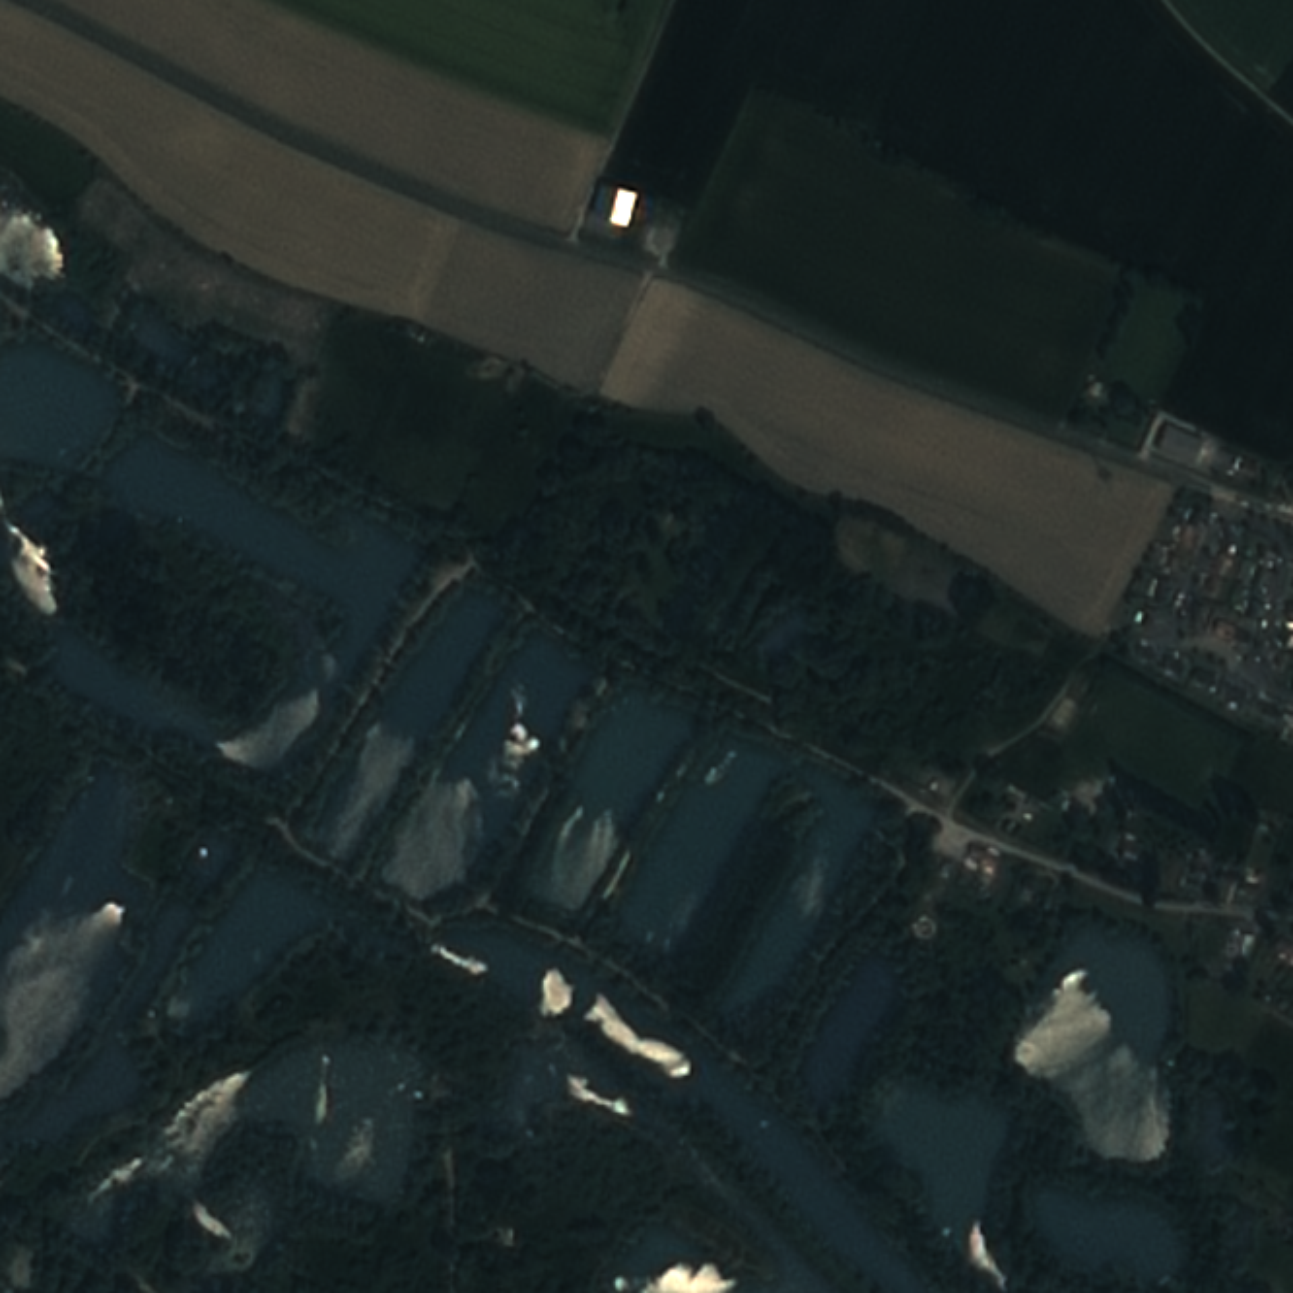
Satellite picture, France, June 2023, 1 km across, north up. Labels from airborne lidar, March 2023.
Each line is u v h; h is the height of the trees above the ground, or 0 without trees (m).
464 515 8
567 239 0
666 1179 7
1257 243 0
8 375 0
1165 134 0
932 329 0
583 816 0
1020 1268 18
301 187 0
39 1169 5
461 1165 6
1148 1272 0
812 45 0
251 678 28
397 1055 0
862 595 19
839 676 21
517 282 0
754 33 0
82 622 6
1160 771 0
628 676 5
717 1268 0
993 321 0
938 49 0
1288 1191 0
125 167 0
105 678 0
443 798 0
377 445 0
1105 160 0
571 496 9
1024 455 0
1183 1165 10
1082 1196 0
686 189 0
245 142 0
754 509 33
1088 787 0
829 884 0
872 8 0
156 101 0
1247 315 0
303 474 15
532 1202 14
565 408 0
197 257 29
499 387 0
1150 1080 0
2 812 0
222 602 14
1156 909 0
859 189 0
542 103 0
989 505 0
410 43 0
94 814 0
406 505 6
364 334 0
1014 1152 16
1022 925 17
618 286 0
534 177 0
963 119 0
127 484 0
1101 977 0
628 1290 0
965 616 20
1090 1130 0
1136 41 0
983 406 0
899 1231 17
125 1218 19
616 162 0
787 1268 0
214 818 12
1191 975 11
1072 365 0
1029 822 0
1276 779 0
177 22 0
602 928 14
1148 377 0
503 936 0
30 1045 0
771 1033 11
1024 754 0
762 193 0
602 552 21
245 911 0
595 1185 6
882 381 0
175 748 13
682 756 15
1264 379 0
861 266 0
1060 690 0
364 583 0
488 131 0
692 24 0
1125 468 0
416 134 0
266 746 0
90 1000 0
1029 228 7
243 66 0
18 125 0
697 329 0
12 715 6
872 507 9
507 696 0
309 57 0
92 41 0
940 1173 0
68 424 0
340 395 0
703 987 18
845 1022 0
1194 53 0
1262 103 0
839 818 0
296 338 29
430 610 8
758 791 0
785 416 0
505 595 9
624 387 0
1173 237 0
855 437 0
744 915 21
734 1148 6
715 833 0
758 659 7
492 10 0
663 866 0
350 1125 0
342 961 13
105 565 29
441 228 0
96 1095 0
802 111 0
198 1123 0
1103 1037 0
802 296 0
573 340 0
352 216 0
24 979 0
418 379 0
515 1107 0
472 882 11
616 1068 9
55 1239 16
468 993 7
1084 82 0
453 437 0
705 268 0
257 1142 10
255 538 0
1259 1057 0
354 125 0
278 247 0
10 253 0
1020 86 0
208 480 0
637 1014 0
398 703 0
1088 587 0
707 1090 0
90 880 0
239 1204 0
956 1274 16
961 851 0
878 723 9
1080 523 0
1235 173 0
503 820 0
